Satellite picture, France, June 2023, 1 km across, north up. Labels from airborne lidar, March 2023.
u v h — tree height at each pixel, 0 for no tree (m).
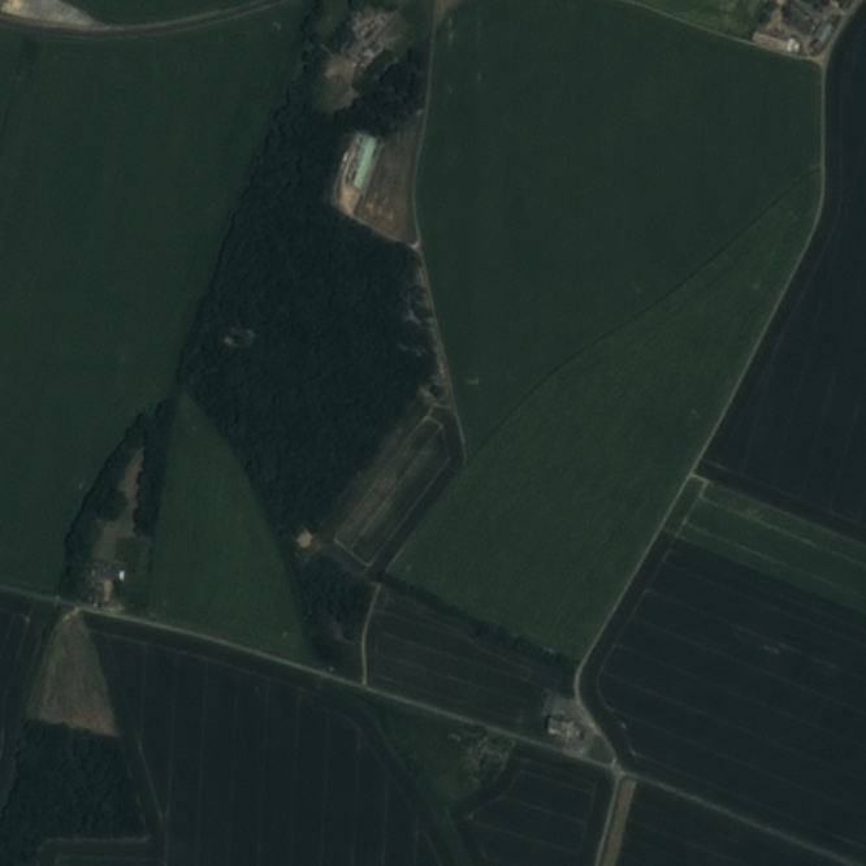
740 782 0
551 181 0
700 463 0
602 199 0
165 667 0
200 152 0
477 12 0
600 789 0
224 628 0
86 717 0
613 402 0
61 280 0
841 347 0
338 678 0
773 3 8
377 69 13
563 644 0
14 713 0
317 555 10
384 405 18
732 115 0
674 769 0
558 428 0
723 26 0
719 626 0
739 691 0
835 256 0
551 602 0
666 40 0
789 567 0
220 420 10
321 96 0
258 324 12
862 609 0
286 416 18
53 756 20
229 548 0
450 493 0
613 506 0
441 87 0
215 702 0
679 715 0
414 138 0
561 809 0
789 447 0
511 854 0
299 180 16
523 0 0
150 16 0
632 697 0
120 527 0
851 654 0
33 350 0
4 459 0
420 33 0
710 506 0
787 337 0
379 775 0
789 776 0
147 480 17
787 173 0
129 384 0
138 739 0
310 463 18
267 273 17
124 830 13
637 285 0
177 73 0
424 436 0
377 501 0
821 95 0
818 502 0
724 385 0
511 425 0
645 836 0
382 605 0
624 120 0
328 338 19
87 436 0
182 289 0
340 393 18
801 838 0
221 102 0
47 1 0
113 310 0
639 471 0
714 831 0
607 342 0
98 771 13
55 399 0
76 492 0
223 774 0
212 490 0
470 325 0
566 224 0
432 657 0
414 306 12
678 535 0
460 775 0
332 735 0
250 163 0
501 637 13
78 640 0
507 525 0
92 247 0
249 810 0
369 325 20
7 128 0
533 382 0
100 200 0
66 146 0
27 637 0
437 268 0
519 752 0
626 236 0
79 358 0
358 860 0
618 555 0
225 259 14
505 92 0
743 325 0
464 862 0
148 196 0
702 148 0
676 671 0
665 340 0
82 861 0
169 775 0
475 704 0
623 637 0
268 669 0
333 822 0
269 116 0
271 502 6
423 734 0
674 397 0
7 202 0
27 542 0
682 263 0
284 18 0
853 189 0
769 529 0
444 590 0
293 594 0
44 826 20
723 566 0
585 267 0
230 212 0
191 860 0
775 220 0
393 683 0
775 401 0
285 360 11
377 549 0
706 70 0
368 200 0
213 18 0
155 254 0
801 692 0
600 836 0
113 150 0
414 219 0
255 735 0
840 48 0
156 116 0
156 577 0
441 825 0
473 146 0
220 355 12
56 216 0
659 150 0
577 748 0
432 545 0
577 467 0
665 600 0
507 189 0
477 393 0
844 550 0
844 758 0
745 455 0
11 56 0
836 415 0
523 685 0
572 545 0
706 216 0
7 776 0
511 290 0
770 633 0
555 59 0
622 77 0
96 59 0
